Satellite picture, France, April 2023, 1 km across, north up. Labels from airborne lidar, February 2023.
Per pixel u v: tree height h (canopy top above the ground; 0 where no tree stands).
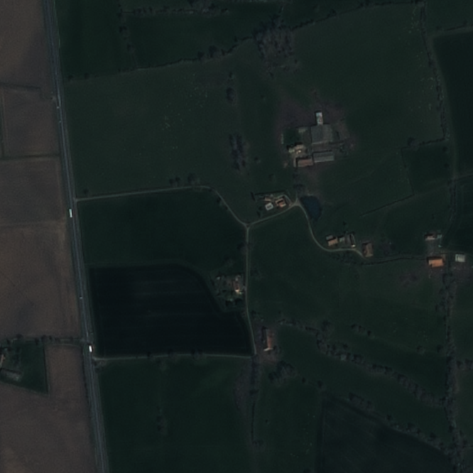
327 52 0
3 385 0
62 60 0
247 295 0
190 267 0
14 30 0
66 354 0
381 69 0
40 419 0
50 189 0
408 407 0
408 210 0
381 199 0
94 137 0
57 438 0
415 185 0
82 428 0
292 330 0
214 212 0
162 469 0
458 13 0
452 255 0
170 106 0
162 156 0
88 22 0
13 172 0
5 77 0
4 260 0
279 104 0
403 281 0
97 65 0
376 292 0
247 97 0
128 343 0
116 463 0
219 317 0
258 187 0
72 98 0
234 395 0
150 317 0
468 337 0
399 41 0
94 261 0
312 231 0
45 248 0
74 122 0
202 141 0
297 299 0
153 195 0
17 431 0
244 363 0
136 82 0
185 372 0
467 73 0
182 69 0
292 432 0
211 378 0
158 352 0
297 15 0
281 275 0
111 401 0
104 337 0
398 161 0
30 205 0
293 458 0
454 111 0
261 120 0
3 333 0
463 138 0
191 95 0
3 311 0
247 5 0
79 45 0
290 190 0
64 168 0
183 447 0
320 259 0
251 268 0
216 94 0
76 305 0
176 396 0
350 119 0
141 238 0
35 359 0
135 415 0
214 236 0
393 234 0
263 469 0
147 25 0
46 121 0
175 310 0
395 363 0
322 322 0
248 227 10
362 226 0
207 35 0
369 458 0
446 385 6
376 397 0
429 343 0
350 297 0
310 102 0
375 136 0
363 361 16
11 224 0
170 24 0
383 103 0
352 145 0
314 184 0
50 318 0
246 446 0
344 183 0
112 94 0
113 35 0
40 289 0
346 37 0
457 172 0
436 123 0
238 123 0
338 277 0
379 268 0
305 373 0
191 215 0
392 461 0
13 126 0
